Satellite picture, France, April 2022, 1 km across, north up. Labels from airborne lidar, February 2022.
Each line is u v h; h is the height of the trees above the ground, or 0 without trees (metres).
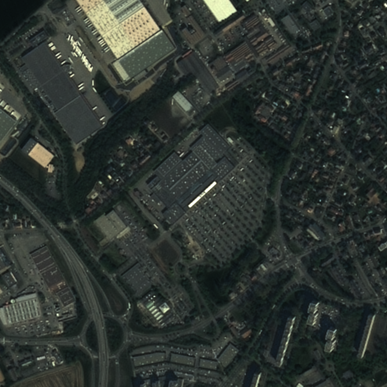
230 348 0
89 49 0
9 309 0
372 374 15
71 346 0
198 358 0
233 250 11
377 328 0
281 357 0
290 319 0
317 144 17
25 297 0
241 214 10
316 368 0
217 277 0
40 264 0
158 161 11
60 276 0
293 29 0
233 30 0
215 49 0
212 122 0
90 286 0
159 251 0
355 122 8
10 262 0
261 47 0
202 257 0
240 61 0
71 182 7
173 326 8
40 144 0
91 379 0
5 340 0
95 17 0
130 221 0
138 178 16
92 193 0
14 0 0
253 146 7
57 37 0
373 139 6
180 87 15
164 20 0
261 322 18
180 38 8
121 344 0
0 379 0
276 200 0
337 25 0
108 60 0
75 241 8
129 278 0
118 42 0
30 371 0
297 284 0
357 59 12
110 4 0
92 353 0
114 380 0
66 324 11
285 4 0
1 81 0
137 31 0
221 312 0
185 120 0
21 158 0
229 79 0
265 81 10
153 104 14
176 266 0
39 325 0
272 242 0
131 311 8
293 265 0
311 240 0
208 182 0
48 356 0
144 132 13
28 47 0
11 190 0
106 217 0
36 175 0
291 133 0
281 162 13
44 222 0
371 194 0
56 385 0
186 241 0
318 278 19
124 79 0
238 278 8
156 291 11
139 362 0
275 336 0
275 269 0
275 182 13
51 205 12
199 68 0
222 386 0
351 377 0
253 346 0
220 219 9
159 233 0
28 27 9
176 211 0
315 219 0
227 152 0
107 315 0
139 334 0
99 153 19
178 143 14
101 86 0
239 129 8
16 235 0
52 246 0
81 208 9
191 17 0
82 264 0
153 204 0
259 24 0
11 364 12
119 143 21
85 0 0
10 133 0
